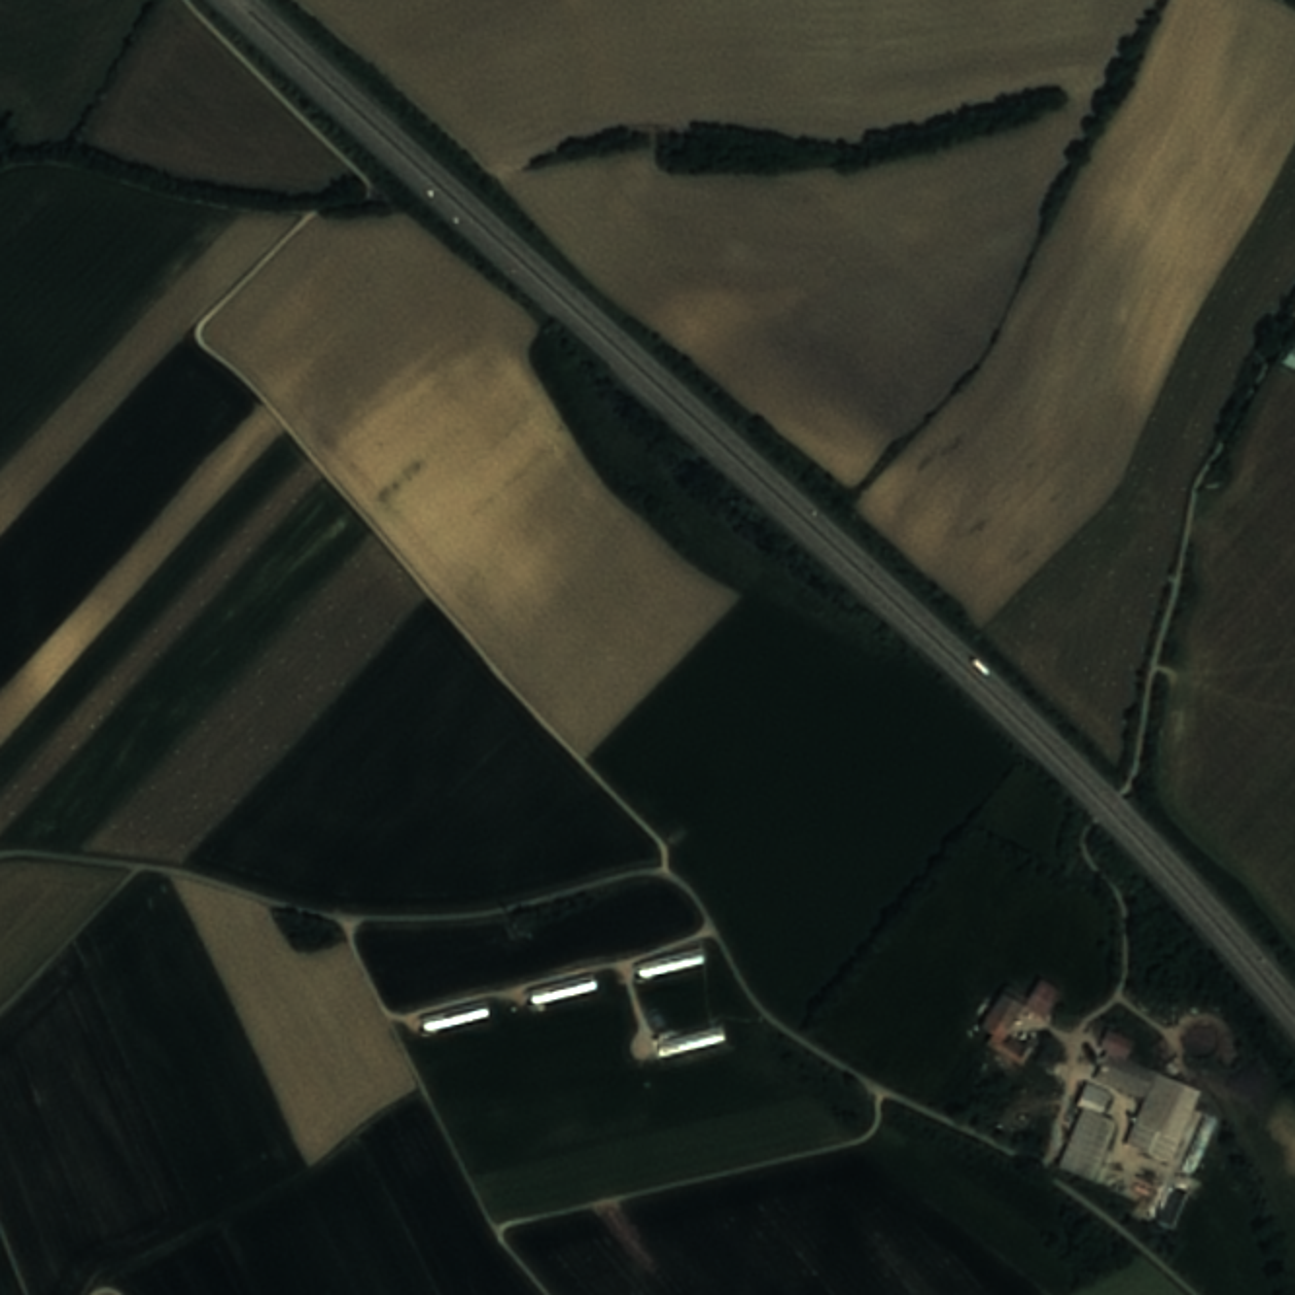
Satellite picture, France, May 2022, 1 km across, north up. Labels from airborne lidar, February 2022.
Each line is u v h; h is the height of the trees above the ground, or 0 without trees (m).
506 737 0
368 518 0
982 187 0
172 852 0
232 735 0
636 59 0
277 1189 0
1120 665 0
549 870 0
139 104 0
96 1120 0
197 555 0
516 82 0
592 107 0
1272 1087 0
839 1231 0
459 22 0
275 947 0
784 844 0
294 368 0
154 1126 0
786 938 0
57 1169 0
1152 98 0
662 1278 0
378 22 0
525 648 0
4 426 0
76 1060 0
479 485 0
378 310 0
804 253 0
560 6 0
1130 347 0
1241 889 0
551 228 0
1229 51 0
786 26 0
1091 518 0
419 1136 0
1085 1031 0
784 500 0
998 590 0
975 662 0
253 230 0
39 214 0
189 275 0
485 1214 0
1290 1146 0
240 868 0
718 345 0
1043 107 10
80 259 0
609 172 0
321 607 0
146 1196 0
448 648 0
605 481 0
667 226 0
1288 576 0
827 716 0
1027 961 0
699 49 0
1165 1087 0
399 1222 0
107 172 10
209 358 0
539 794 0
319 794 0
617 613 0
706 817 0
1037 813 0
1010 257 0
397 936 0
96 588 0
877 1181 0
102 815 0
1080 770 0
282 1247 0
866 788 0
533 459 0
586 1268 0
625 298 0
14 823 0
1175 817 0
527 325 0
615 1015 0
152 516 0
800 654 0
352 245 0
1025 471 0
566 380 0
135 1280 0
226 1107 0
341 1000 0
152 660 0
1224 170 0
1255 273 0
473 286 0
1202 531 0
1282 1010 0
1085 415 0
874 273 0
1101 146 0
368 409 0
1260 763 0
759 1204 0
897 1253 0
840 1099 0
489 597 0
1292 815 0
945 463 0
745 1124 0
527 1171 0
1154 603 0
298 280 0
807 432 0
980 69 0
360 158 7
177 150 0
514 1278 0
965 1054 0
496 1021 0
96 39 0
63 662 0
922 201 0
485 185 11
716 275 0
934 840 0
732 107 0
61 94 0
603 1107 0
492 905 0
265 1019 0
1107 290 0
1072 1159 0
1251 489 0
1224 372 0
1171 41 0
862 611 10
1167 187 0
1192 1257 0
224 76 0
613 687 0
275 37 0
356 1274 0
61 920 0
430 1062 0
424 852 0
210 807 0
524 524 0
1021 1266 0
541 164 6
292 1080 0
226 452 0
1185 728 0
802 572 10
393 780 0
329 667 0
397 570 0
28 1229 0
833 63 0
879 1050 0
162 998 0
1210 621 0
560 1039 0
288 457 0
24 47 0
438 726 0
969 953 0
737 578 0
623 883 0
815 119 0
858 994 0
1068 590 0
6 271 0
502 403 0
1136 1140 0
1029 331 0
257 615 0
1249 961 0
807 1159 0
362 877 0
